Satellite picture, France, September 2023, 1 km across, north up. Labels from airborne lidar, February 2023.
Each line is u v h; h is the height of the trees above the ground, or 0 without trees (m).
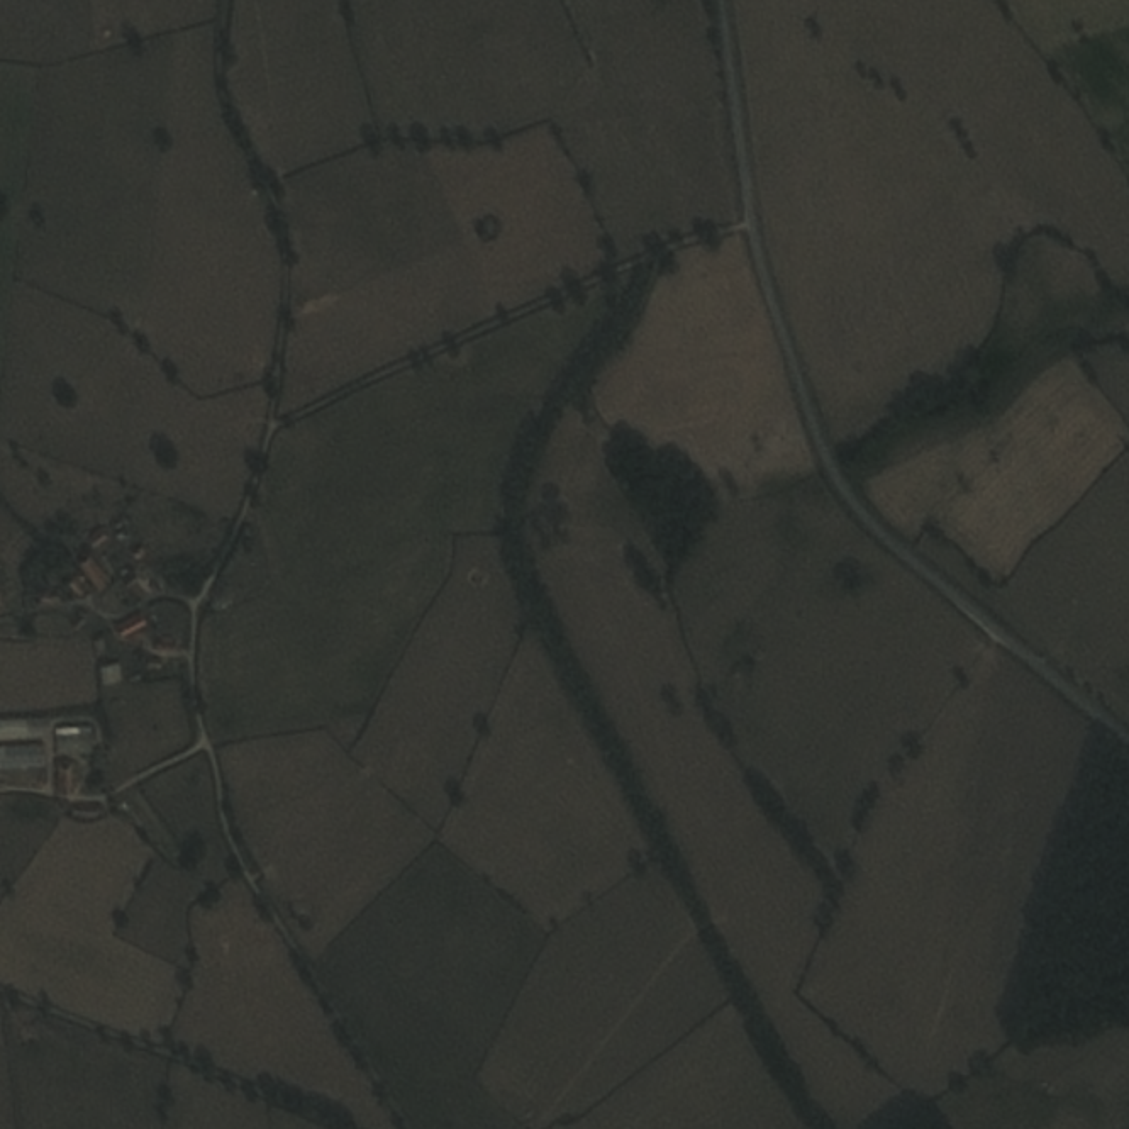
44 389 0
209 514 0
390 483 0
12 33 0
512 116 0
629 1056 0
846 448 12
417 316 0
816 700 0
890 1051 0
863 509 0
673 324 0
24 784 0
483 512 0
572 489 0
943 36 0
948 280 0
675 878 15
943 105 0
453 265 0
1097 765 19
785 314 0
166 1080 0
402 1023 0
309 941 0
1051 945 22
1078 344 9
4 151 0
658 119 0
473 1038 0
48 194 0
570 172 0
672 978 0
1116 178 0
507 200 0
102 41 0
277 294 0
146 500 0
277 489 0
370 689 0
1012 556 0
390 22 0
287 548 0
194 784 0
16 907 0
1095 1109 0
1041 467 0
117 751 0
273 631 0
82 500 0
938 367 0
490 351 0
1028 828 0
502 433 0
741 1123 0
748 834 0
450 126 0
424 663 0
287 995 0
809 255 0
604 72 0
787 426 0
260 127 0
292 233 0
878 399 0
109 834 0
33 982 0
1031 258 0
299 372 0
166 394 0
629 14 0
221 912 0
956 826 0
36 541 6
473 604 0
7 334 0
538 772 0
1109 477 0
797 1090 15
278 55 0
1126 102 0
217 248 0
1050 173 0
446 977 0
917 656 0
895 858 0
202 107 0
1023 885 0
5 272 0
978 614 0
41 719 0
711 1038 0
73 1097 0
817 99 0
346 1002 0
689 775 0
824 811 0
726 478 14
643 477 8
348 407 0
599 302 0
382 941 0
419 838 0
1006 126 0
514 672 0
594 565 0
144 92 0
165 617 0
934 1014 0
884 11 0
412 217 0
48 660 0
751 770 0
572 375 11
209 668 0
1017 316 0
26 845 0
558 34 0
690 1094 0
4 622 0
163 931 0
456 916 0
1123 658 0
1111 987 20
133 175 0
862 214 0
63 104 0
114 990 0
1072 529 0
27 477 0
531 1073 0
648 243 12
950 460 0
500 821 0
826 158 0
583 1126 0
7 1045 0
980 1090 0
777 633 0
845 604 0
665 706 10
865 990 0
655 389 0
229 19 0
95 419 0
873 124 0
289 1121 0
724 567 0
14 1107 0
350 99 0
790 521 0
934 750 0
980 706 0
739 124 0
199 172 0
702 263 0
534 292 0
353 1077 0
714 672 0
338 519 0
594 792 0
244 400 0
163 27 0
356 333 0
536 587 19
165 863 0
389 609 0
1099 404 0
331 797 0
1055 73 15
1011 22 0
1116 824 15
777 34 0
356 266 0
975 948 0
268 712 0
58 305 0
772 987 0
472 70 0
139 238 0
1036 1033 20
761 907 0
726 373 0
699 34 0
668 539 7
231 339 0
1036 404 0
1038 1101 0
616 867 0
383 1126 0
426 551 0
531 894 0
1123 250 0
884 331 0
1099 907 25
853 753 0
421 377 0
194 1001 0
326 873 0
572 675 12
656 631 0
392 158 0
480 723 12
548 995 0
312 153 0
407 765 0
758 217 0
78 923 0
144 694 0
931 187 0
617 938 0
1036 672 0
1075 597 0
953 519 0
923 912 0
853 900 0
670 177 0
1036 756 0
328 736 0
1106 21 0
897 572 0
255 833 0
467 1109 0
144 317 0
